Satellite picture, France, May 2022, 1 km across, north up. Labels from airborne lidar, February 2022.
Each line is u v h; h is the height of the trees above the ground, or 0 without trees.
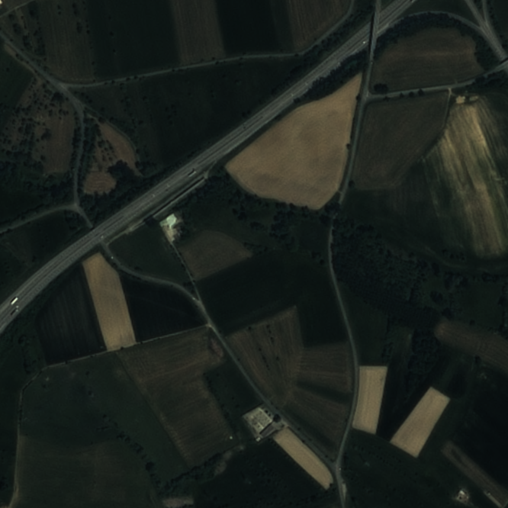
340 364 0
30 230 0
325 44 7
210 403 0
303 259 0
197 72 0
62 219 0
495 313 0
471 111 0
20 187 14
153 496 0
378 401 0
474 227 0
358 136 0
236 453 0
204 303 0
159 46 0
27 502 0
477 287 0
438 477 0
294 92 0
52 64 0
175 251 0
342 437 0
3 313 0
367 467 0
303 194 0
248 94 0
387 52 0
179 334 0
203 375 0
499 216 0
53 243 0
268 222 0
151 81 0
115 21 0
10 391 0
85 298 0
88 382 0
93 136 8
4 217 0
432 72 0
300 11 0
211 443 0
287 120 0
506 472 0
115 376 0
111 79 0
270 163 0
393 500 0
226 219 0
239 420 0
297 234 0
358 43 0
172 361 0
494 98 0
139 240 0
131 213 0
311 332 0
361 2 0
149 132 0
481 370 0
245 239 0
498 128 0
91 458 0
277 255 0
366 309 0
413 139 0
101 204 25
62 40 0
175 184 0
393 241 0
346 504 0
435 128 0
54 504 0
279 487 0
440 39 0
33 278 0
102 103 0
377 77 0
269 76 0
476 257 0
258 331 0
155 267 0
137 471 0
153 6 0
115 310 0
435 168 0
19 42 0
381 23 0
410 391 13
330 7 0
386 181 0
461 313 12
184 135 0
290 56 0
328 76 0
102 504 0
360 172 0
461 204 0
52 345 0
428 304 0
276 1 0
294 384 0
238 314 0
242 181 0
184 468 0
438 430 0
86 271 0
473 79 0
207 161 0
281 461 0
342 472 0
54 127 0
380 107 0
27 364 8
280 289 0
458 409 0
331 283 0
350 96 0
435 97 0
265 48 0
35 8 0
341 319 0
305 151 0
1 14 0
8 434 0
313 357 0
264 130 0
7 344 8
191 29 0
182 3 0
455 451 0
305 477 0
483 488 0
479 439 0
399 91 0
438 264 0
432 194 0
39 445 0
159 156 0
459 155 0
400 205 0
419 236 0
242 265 0
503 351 0
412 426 0
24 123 6
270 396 0
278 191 0
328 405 0
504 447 0
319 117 0
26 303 0
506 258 0
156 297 0
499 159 0
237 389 0
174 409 0
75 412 0
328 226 23
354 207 0
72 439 0
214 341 0
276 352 0
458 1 0
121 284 0
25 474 0
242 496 0
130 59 0
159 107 0
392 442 0
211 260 0
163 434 0
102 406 0
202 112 0
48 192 16
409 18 0
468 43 0
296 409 0
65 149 0
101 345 0
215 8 0
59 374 0
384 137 0
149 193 0
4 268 0
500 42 0
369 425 0
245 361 0
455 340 0
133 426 0
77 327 0
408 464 0
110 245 0
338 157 0
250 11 0
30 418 0
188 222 12
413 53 0
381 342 0
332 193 0
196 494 0
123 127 7
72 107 0
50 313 0
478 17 0
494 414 0
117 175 20
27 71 0
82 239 0
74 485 0
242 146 0
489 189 0
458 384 0
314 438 0
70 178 9
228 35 0
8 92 0
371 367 0
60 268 0
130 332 0
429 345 20
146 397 0
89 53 0
